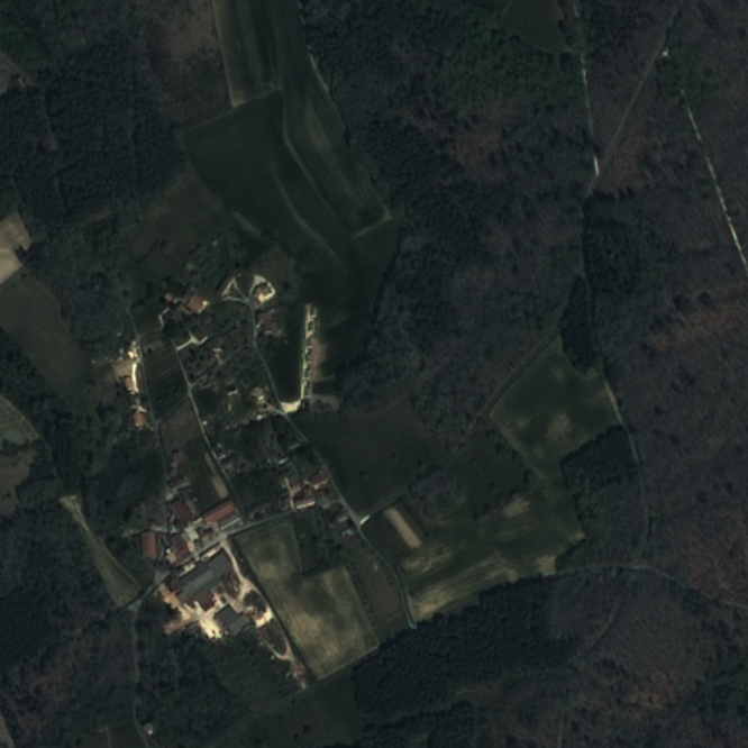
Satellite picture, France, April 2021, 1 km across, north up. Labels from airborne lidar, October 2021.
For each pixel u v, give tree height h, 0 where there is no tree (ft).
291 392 0
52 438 86
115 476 19
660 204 55
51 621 72
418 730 58
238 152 0
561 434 0
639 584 43
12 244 0
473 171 34
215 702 66
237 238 0
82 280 52
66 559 88
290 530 0
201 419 22
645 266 64
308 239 0
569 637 41
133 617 49
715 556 0
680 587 59
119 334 78
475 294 64
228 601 0
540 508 0
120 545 26
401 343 94
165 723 68
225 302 0
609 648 44
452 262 90
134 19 37
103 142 60
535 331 50
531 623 57
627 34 40
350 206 0
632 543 41
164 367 0
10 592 74
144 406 33
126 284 46
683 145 50
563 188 61
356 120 64
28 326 0
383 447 0
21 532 64
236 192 0
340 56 73
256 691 0
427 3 89
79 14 57
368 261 0
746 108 32
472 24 73
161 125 78
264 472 19
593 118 50
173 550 0
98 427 34
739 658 84
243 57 0
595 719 28
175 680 51
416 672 67
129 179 81
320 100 0
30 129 83
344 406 46
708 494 41
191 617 0
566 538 0
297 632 0
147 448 26
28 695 39
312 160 0
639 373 56
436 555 0
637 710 48
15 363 73
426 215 75
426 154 83
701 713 29
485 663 59
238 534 0
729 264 55
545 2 0
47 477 28
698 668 57
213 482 0
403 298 78
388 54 76
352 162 0
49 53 49
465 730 67
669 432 56
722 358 45
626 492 46
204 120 20
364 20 73
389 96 83
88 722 54
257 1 0
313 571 25
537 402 0
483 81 50
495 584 0
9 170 74
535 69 71
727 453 30
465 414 37
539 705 56
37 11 53
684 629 52
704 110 45
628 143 24
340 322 0
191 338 24
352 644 0
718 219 30
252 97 0
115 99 83
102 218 70
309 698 0
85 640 37
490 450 0
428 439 0
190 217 0
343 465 0
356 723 0
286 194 0
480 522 39
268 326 0
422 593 0
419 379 70
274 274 0
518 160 52
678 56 64
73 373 0
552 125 54
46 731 38
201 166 0
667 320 44
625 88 24
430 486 52
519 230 56
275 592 0
